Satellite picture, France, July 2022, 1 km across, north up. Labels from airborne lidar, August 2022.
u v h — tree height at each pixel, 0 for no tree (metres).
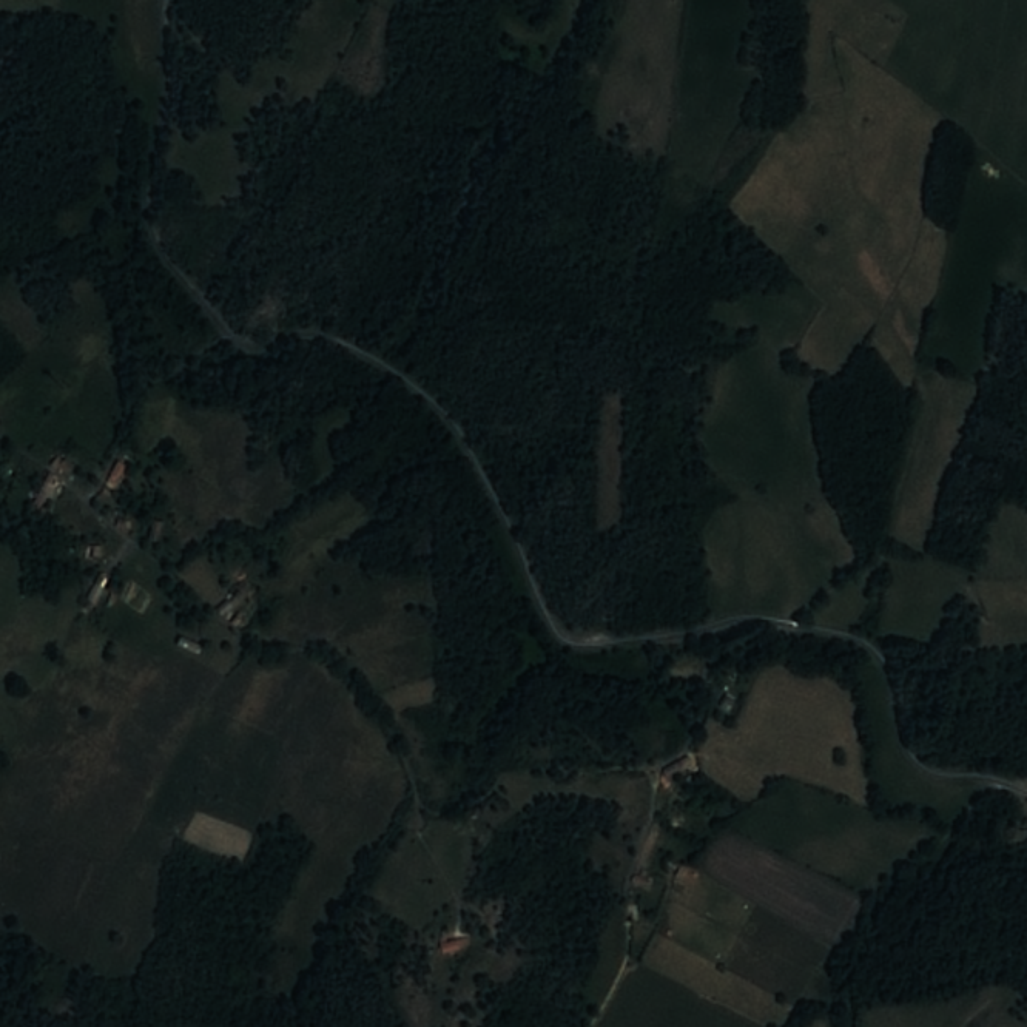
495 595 18
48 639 0
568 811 15
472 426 17
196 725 0
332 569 0
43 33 19
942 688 27
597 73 0
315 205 12
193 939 12
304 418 19
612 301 14
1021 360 17
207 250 0
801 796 0
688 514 13
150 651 0
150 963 7
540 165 17
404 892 0
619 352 20
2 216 18
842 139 0
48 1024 14
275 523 15
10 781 0
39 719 0
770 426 0
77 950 0
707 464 19
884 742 0
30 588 12
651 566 16
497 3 14
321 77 0
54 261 17
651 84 0
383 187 18
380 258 12
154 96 0
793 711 0
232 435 0
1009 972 14
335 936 20
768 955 0
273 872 18
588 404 17
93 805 0
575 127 19
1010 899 17
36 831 0
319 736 0
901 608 0
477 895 9
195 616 14
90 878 0
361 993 23
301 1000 20
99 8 0
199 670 0
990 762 14
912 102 0
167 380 11
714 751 0
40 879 0
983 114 0
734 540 0
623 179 9
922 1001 11
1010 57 0
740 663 14
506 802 6
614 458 0
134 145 22
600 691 20
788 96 23
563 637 0
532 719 15
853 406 22
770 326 0
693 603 17
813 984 0
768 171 0
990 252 0
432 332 13
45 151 12
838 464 18
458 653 18
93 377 0
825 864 0
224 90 0
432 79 19
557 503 7
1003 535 0
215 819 0
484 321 14
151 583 0
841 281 0
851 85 0
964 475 18
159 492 7
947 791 0
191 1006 14
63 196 17
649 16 0
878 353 14
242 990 9
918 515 0
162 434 0
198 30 14
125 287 11
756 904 0
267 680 0
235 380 28
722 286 15
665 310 12
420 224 29
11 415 0
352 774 0
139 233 21
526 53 13
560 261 16
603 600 9
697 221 11
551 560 7
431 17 21
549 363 8
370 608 0
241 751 0
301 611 0
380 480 25
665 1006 0
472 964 0
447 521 14
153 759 0
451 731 6
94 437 0
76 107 15
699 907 0
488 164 35
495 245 17
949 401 0
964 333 0
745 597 0
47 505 7
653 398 16
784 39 19
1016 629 0
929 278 0
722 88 0
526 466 12
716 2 0
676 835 10
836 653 13
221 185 0
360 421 21
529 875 14
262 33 12
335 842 0
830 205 0
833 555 0
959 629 12
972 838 15
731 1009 0
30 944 21
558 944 15
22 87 15
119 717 0
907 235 0
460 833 0
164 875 7
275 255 12
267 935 16
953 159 17
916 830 0
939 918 22
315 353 22
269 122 17
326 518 0
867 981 11
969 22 0
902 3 0
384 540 19
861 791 0
